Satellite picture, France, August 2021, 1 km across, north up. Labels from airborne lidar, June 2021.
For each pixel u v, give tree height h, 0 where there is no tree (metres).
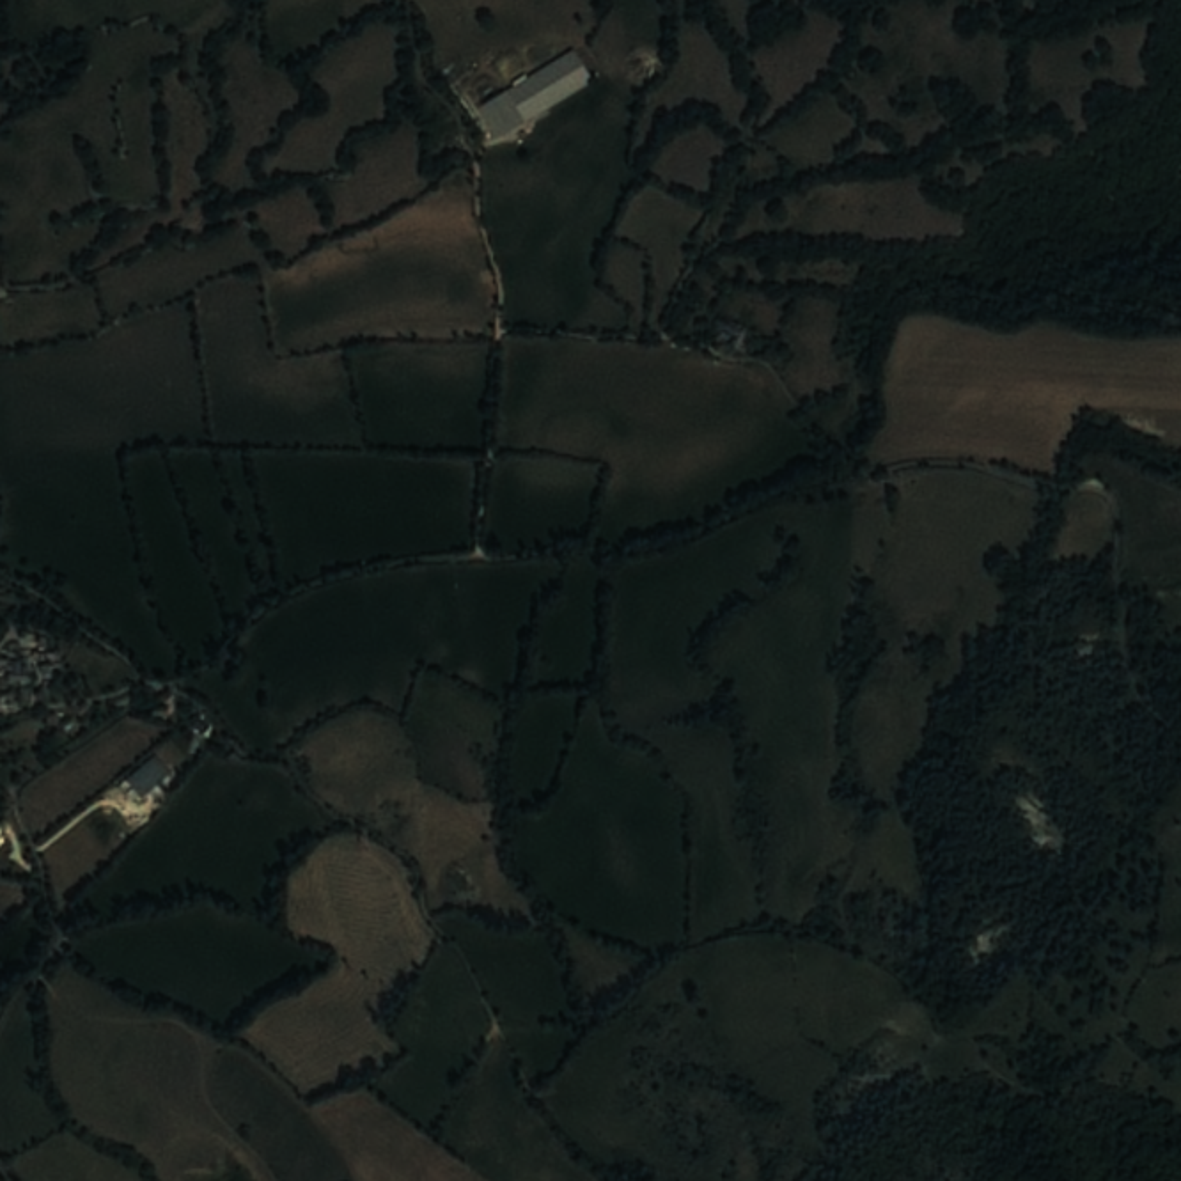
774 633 0
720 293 8
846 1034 0
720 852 0
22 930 0
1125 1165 13
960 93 16
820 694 0
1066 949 14
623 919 0
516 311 0
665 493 0
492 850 0
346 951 0
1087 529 0
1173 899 0
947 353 0
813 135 0
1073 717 6
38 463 0
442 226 0
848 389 7
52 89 7
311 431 0
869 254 15
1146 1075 0
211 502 0
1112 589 11
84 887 11
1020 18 9
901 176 10
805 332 0
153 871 0
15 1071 0
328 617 0
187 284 0
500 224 0
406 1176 0
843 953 6
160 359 0
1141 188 9
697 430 0
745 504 17
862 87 0
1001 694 10
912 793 20
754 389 0
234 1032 11
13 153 0
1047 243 26
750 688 0
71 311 0
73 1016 0
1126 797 9
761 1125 0
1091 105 11
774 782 0
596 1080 0
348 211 0
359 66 0
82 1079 0
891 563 0
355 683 0
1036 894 10
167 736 8
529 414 0
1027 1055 9
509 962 0
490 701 12
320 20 0
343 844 0
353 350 14
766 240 13
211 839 0
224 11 0
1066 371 0
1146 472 10
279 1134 0
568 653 0
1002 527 0
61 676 16
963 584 0
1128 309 13
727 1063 0
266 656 0
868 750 0
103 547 0
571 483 0
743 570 0
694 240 6
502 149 0
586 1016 19
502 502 0
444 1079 0
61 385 0
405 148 0
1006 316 14
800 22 11
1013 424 0
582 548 16
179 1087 0
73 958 11
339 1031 0
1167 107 12
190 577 0
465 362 0
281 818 0
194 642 0
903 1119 11
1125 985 0
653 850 0
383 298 0
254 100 0
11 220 0
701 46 0
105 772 0
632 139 11
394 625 0
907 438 0
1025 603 13
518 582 0
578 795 0
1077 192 15
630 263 0
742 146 9
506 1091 0
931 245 12
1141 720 15
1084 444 15
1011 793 8
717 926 0
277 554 10
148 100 0
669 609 0
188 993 0
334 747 0
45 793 0
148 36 0
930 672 8
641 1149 0
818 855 0
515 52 0
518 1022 0
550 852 0
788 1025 0
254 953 0
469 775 0
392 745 0
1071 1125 7
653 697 0
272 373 0
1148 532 0
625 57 0
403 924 0
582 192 0
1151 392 0
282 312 0
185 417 0
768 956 0
